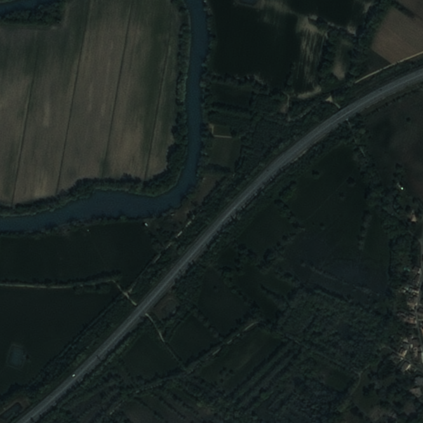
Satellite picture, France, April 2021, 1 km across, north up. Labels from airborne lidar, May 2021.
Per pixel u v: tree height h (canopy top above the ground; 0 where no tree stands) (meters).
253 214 12
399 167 12
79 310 0
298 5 0
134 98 0
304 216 0
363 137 13
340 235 0
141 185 21
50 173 0
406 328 6
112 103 0
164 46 0
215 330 15
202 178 19
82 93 0
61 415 15
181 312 18
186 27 13
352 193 0
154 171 0
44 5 13
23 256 0
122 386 12
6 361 0
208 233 0
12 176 0
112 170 0
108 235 0
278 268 20
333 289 0
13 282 10
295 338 15
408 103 0
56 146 0
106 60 0
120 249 0
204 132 20
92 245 0
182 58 13
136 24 0
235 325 0
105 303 0
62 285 14
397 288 13
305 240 0
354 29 0
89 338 14
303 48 0
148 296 0
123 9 0
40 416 0
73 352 14
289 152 0
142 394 17
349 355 16
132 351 0
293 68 9
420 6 0
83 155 0
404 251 19
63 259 0
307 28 0
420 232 0
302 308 14
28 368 0
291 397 9
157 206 0
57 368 14
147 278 10
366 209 0
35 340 0
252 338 0
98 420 17
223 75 0
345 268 0
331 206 0
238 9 0
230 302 0
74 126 0
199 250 0
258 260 19
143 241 0
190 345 0
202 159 22
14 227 0
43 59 0
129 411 0
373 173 15
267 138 15
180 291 14
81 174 0
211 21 7
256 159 13
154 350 0
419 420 19
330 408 8
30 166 0
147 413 0
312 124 8
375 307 8
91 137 0
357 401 0
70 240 0
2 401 13
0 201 0
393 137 7
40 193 0
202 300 0
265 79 0
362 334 7
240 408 16
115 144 0
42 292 0
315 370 18
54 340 0
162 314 0
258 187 0
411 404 16
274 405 9
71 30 0
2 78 0
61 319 0
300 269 0
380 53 0
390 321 18
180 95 13
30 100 0
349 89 10
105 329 13
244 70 0
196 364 19
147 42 0
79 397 14
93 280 16
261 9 0
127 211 0
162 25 0
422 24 0
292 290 0
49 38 0
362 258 0
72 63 0
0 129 0
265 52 0
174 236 11
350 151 0
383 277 0
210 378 0
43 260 0
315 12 0
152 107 0
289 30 0
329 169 0
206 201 11
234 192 16
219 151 0
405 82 0
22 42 0
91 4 0
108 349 0
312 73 0
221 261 0
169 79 0
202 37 0
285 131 13
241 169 17
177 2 18
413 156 0
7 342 0
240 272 18
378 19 31
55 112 0
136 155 0
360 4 0
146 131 0
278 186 14
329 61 23
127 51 0
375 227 0
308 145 0
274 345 0
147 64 0
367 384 0
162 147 0
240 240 0
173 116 0
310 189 0
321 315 16
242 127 8
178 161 25
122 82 0
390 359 12
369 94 0
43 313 0
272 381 7
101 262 0
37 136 0
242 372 0
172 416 0
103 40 0
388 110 0
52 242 0
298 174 10
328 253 0
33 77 0
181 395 0
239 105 0
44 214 0
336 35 13
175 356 12
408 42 0
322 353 20
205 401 22
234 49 0
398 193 10
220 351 6
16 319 0
